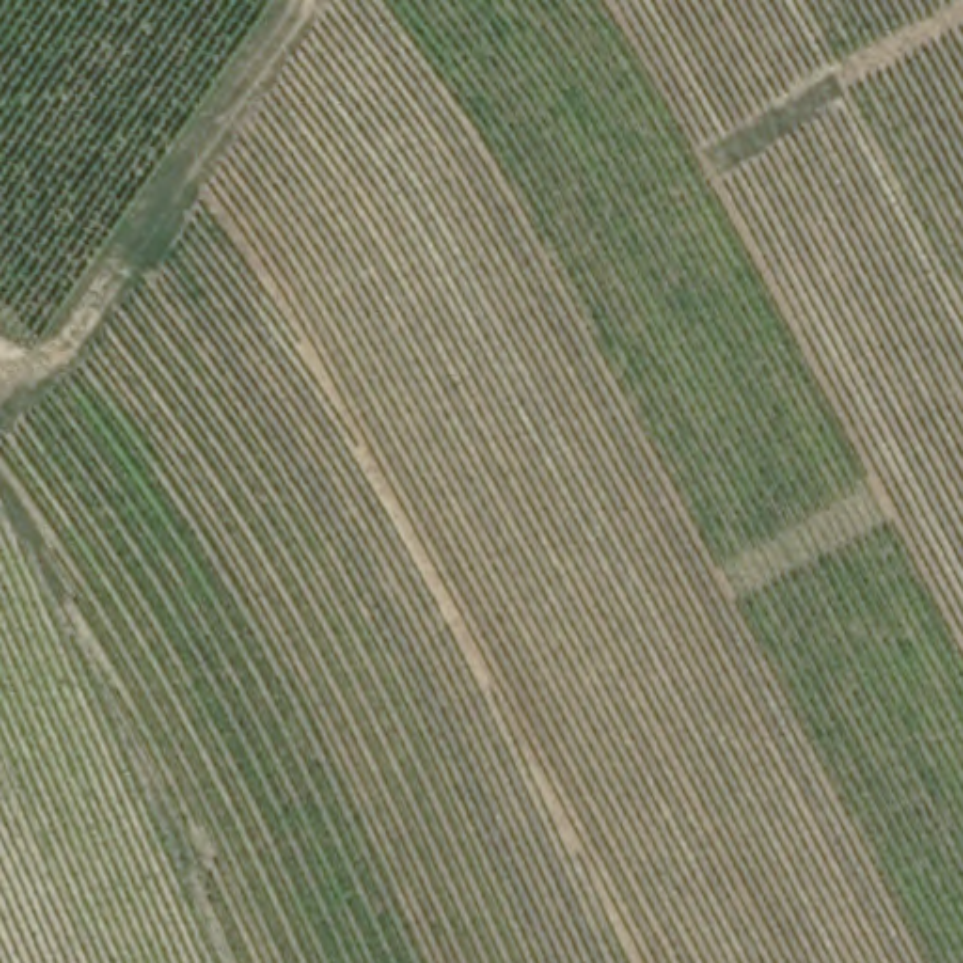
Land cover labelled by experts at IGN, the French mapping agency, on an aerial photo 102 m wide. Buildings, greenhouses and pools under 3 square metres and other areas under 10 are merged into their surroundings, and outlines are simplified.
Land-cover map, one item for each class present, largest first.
<instances>
[{"label":"vineyard","instance_id":"1","mask_svg":"<svg viewBox=\"0 0 963 963\"><path fill-rule=\"evenodd\" d=\"M0 963H963V0H0Z\"/></svg>","mask_w":963,"mask_h":963}]
</instances>
